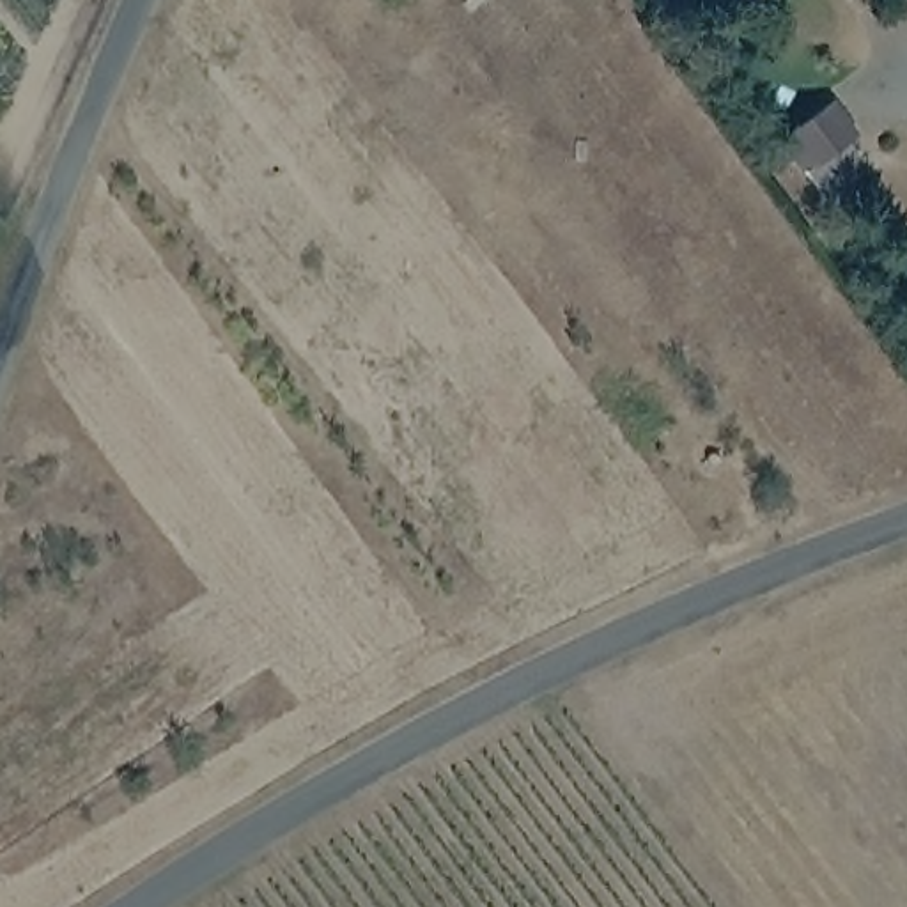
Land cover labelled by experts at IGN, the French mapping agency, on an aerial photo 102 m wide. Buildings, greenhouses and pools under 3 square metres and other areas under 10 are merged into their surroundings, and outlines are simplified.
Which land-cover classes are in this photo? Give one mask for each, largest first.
<instances>
[{"label":"agricultural land","instance_id":"1","mask_svg":"<svg viewBox=\"0 0 907 907\"><path fill-rule=\"evenodd\" d=\"M269 337L283 347L294 386L312 404V415L305 422H294L291 415L269 407L237 365L241 347L248 340ZM659 344H680L684 358L712 379L716 404L709 411H698L691 390H684L673 379V372L659 361ZM599 368H609L616 376L634 368L645 383L655 386L659 404L673 415V425L663 429L655 454L641 457L627 443L613 415L599 407V400L588 390ZM326 418H340L347 425V436L365 454L361 475H351L347 457L326 436ZM723 425H737L740 436L755 443L762 457L790 478L794 500L776 510H758L751 500V471L740 454L705 457V446L719 436ZM907 503V383L896 376L875 333L854 315L836 280L804 248L801 237L758 181L751 167L737 156V149L726 142L719 124L709 117V110L698 103V96L652 46L631 0H152L145 11V25L135 39L131 60L99 120L96 142L89 149L78 188L67 202L64 223L53 237L50 255L43 259V283L25 337L11 351L0 383V907H110L156 872L170 868L188 850L209 843L216 833L244 822L248 815L280 801L283 794L337 769L365 748L393 737L397 730L432 716L436 709L514 673L517 666L553 648H563L620 616H631L652 602L680 595L709 578H719L762 556L783 553L808 539L879 517ZM43 528H74L89 535L96 563H74L71 585L64 588L57 585V578H43L35 588L32 581H25V570L43 563V553L21 549V535H43ZM220 702L234 712V723L227 726V733H216L202 744L205 762L184 776L174 765V755L167 751V726L174 719H181L188 730L213 726V705ZM128 762L145 765L149 772V794L138 801L124 790L117 772ZM553 691L570 705V712L588 726L599 748L627 776L638 801L648 808L655 826L666 829V840L677 847L680 861L698 875V882L716 896L719 907H907V539L822 567L751 602L705 616L677 634H666L631 652L627 659L606 663L602 670H592L581 680Z\"/></svg>","mask_w":907,"mask_h":907},{"label":"vineyard","instance_id":"2","mask_svg":"<svg viewBox=\"0 0 907 907\"><path fill-rule=\"evenodd\" d=\"M181 907H719L716 896L698 882V875L680 861L677 847L666 840V829L655 826L648 808L638 801L627 776L599 748L588 726L570 712V705L553 691H542L510 709L507 716L478 730H468L464 737L400 765L397 772L358 790L344 804L322 811L308 826L280 836L276 843L248 857L241 872H230L216 886L191 893Z\"/></svg>","mask_w":907,"mask_h":907},{"label":"impervious surface","instance_id":"3","mask_svg":"<svg viewBox=\"0 0 907 907\"><path fill-rule=\"evenodd\" d=\"M117 21L96 60L78 117L53 159L43 209L28 237L21 241L0 305V383L11 351L25 337L43 283V259L50 255L53 237L64 223L67 202L78 188L89 149L96 142L99 120L131 60L135 39L145 25V11L152 0H113ZM854 117L861 152L868 156V163L882 177L900 159L893 152V131L907 124V50L882 64L868 60L864 78L840 99ZM907 539V503L879 517L808 539L783 553L762 556L719 578H709L680 595L652 602L631 616H620L563 648H553L517 666L514 673L436 709L432 716L397 730L393 737L365 748L337 769L283 794L280 801L248 815L244 822L216 833L209 843L188 850L170 868L156 872L110 907H181L191 893L216 886L230 872H241L248 857L276 843L280 836L308 826L322 811L344 804L358 790L397 772L400 765L464 737L468 730H478L507 716L510 709L542 691H553L581 680L592 670H602L606 663L627 659L631 652L666 634H677L705 616L751 602L822 567Z\"/></svg>","mask_w":907,"mask_h":907},{"label":"deciduous trees","instance_id":"4","mask_svg":"<svg viewBox=\"0 0 907 907\"><path fill-rule=\"evenodd\" d=\"M652 46L698 96V103L709 110V117L719 124L726 142L737 149V156L751 167L758 181L779 177L787 163L801 159L794 145L797 128L787 124V103L776 99V89L769 85L776 57L787 50L794 35V7L787 0H631ZM804 205L815 216H822V227L801 237L804 248L836 280L854 315L875 333L896 376L907 383V216L893 202V191L882 184V177L868 163L847 159L833 170L829 181L808 184L804 195ZM237 365L269 407L291 415L294 422H305L312 415V404L294 386L283 347L269 337L248 340L241 347ZM326 436L347 457L351 475H361L365 454L347 436V425L340 418H326ZM751 500L758 510H776L794 500L790 478L762 457L751 471ZM213 726L188 730L181 719H174L167 726V751L174 755V765L184 776L205 762L202 744L216 733H227V726L234 723V712L220 702L213 705ZM117 772L124 790L138 801L149 794V772L145 765L128 762Z\"/></svg>","mask_w":907,"mask_h":907},{"label":"herbaceous vegetation","instance_id":"5","mask_svg":"<svg viewBox=\"0 0 907 907\"><path fill-rule=\"evenodd\" d=\"M117 21L113 0H0V305L21 241L28 237L43 209L53 159L78 117L96 60ZM794 7V35L787 50L776 57L769 85L776 89V99L787 103V124L797 128L822 113L833 103V96L840 99L864 78L868 60L882 64L907 50V0H787ZM893 152L900 159L882 177V184L893 191V202L907 216V124L893 131Z\"/></svg>","mask_w":907,"mask_h":907},{"label":"brushwood","instance_id":"6","mask_svg":"<svg viewBox=\"0 0 907 907\"><path fill-rule=\"evenodd\" d=\"M801 237L822 227V216H815L804 205V195L794 198L779 184V177L758 181ZM659 361L673 372V379L684 390H691L698 411H709L716 404L712 379L684 358L680 344H659ZM588 390L599 400V407L613 415L627 443L641 457L655 454L663 429L673 425V415L659 404L655 386L645 383L634 368L616 376L609 368H599ZM740 454L751 471L762 457L755 443L740 436L737 425H723L719 436L705 446V457ZM21 549L43 553V563L25 570V581H32L35 588L43 578H57V585L64 588L71 585L74 563H96L89 535L74 528H43V535H21Z\"/></svg>","mask_w":907,"mask_h":907},{"label":"building","instance_id":"7","mask_svg":"<svg viewBox=\"0 0 907 907\"><path fill-rule=\"evenodd\" d=\"M794 145L801 159L787 163L779 177V184L794 198L804 195L808 184L829 181L833 170L847 159L868 163V156L861 152L854 117L840 99L833 96V103L822 113L797 128Z\"/></svg>","mask_w":907,"mask_h":907}]
</instances>
